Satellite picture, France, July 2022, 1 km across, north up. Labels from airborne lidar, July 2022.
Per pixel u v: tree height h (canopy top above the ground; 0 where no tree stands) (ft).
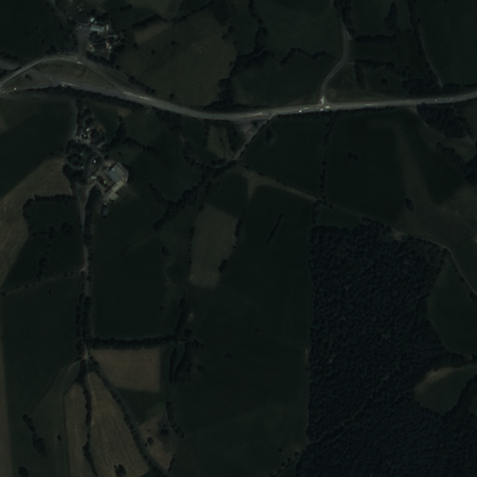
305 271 0
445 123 65
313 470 61
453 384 0
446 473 73
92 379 0
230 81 37
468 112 0
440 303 0
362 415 64
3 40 0
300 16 0
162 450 0
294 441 0
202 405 0
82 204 0
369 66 70
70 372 0
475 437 58
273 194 0
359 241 82
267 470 0
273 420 0
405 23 0
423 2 0
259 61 60
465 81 0
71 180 35
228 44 0
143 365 0
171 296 0
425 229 0
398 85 0
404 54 0
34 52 0
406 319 53
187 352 44
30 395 0
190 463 0
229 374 0
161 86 0
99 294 0
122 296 0
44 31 0
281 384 0
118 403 28
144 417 0
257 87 0
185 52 0
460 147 0
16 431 0
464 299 0
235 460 0
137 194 0
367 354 85
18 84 0
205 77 0
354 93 0
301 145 0
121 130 45
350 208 0
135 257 0
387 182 0
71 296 0
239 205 0
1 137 0
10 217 0
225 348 0
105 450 0
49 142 0
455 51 0
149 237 0
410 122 0
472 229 0
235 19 0
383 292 71
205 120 33
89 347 42
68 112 0
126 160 0
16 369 0
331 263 71
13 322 0
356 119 0
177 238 0
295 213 0
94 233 0
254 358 0
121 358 0
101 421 0
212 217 0
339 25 0
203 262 0
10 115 0
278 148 0
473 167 60
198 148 0
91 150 35
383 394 50
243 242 0
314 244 45
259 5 0
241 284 0
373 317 85
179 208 54
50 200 36
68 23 29
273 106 0
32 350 0
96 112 0
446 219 0
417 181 0
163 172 0
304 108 0
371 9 0
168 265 0
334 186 0
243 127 0
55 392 0
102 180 23
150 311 0
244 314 0
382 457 67
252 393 0
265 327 0
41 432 0
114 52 47
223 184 0
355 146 0
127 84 0
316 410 78
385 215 0
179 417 0
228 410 0
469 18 0
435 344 67
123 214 0
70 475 0
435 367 77
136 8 0
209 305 0
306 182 0
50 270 0
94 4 0
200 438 0
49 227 0
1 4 0
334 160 0
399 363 28
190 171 0
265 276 0
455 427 65
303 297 0
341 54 0
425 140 0
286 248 0
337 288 69
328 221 0
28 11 0
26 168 0
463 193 0
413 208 45
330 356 56
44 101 0
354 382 68
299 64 0
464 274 0
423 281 66
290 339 0
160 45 0
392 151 0
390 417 56
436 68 0
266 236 0
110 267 0
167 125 29
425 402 0
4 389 0
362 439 56
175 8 0
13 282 0
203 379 0
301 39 0
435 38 0
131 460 0
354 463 63
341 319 40
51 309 0
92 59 60
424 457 53
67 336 0
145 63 0
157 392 0
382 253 49
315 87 0
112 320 0
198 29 0
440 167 0
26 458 0
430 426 64
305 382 0
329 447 73
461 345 0
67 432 0
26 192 0
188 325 0
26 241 0
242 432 0
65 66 0
